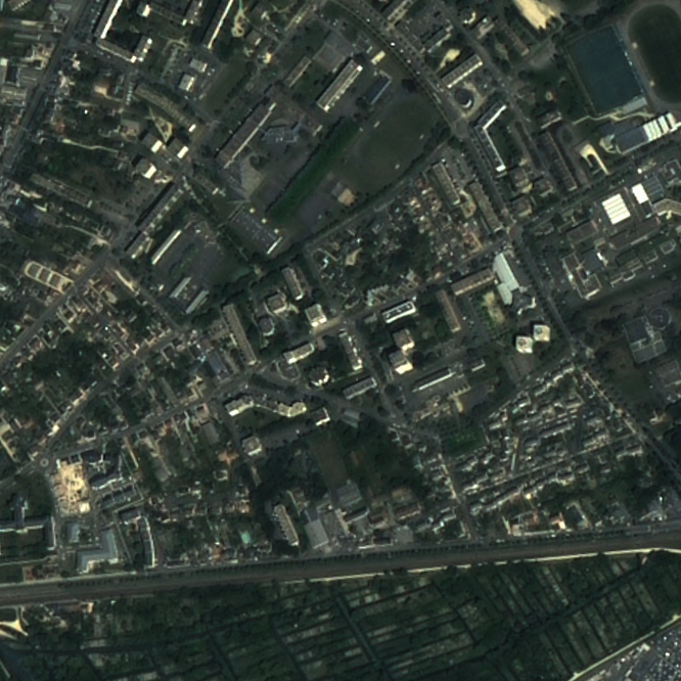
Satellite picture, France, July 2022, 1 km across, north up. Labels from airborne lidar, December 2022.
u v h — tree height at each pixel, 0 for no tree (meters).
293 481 13
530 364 0
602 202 0
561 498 11
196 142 0
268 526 15
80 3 0
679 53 0
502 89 0
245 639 8
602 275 0
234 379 0
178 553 7
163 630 12
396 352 11
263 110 0
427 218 0
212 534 0
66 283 0
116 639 6
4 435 0
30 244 0
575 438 5
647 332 0
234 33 0
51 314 0
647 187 0
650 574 10
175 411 0
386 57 0
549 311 12
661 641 0
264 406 0
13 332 8
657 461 11
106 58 0
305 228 0
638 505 8
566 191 6
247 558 12
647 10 0
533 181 0
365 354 0
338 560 12
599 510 7
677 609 8
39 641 17
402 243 8
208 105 0
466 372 10
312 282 14
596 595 8
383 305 0
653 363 12
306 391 0
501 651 10
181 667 13
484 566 8
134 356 0
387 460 10
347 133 20
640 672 0
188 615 12
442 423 6
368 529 0
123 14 14
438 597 7
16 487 0
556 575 0
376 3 11
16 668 0
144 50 0
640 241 0
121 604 9
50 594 0
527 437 6
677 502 0
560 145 9
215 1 13
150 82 8
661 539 0
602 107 0
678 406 13
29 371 12
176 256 0
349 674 6
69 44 0
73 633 9
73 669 10
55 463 0
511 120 0
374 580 6
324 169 18
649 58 0
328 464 0
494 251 0
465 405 0
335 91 0
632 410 7
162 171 0
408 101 0
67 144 6
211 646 7
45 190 11
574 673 0
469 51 11
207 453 12
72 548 0
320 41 0
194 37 9
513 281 0
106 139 6
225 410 0
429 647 0
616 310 10
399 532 0
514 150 10
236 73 0
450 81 0
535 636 8
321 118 0
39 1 9
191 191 6
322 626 0
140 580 10
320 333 0
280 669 12
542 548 0
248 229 0
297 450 8
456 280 12
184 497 7
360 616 21
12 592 0
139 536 21
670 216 0
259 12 0
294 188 17
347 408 0
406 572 13
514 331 9
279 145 0
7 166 0
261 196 0
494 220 0
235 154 0
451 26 0
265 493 15
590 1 0
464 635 0
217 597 6
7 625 0
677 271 0
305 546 17
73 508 11
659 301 0
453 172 0
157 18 0
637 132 0
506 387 16
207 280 0
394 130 0
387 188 8
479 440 9
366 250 16
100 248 8
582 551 0
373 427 11
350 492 0
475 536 0
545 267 7
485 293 9
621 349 0
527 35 11
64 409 0
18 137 0
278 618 9
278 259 8
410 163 0
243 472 7
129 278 0
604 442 0
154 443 0
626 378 0
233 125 0
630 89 0
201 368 7
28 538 0
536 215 8
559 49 6
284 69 0
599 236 0
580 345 10
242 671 0
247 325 7
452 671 10
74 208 16
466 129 0
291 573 0
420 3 10
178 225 9
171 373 8
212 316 14
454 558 0
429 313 15
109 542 0
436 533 0
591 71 0
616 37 0
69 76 10
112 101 0
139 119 7
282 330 10
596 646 0
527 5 0
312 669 0
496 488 7
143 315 15
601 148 0
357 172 0
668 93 0
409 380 0
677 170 0
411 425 7
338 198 0
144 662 8
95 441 0
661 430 0
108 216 0
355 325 0
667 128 0
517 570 13
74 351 7
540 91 7
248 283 13
